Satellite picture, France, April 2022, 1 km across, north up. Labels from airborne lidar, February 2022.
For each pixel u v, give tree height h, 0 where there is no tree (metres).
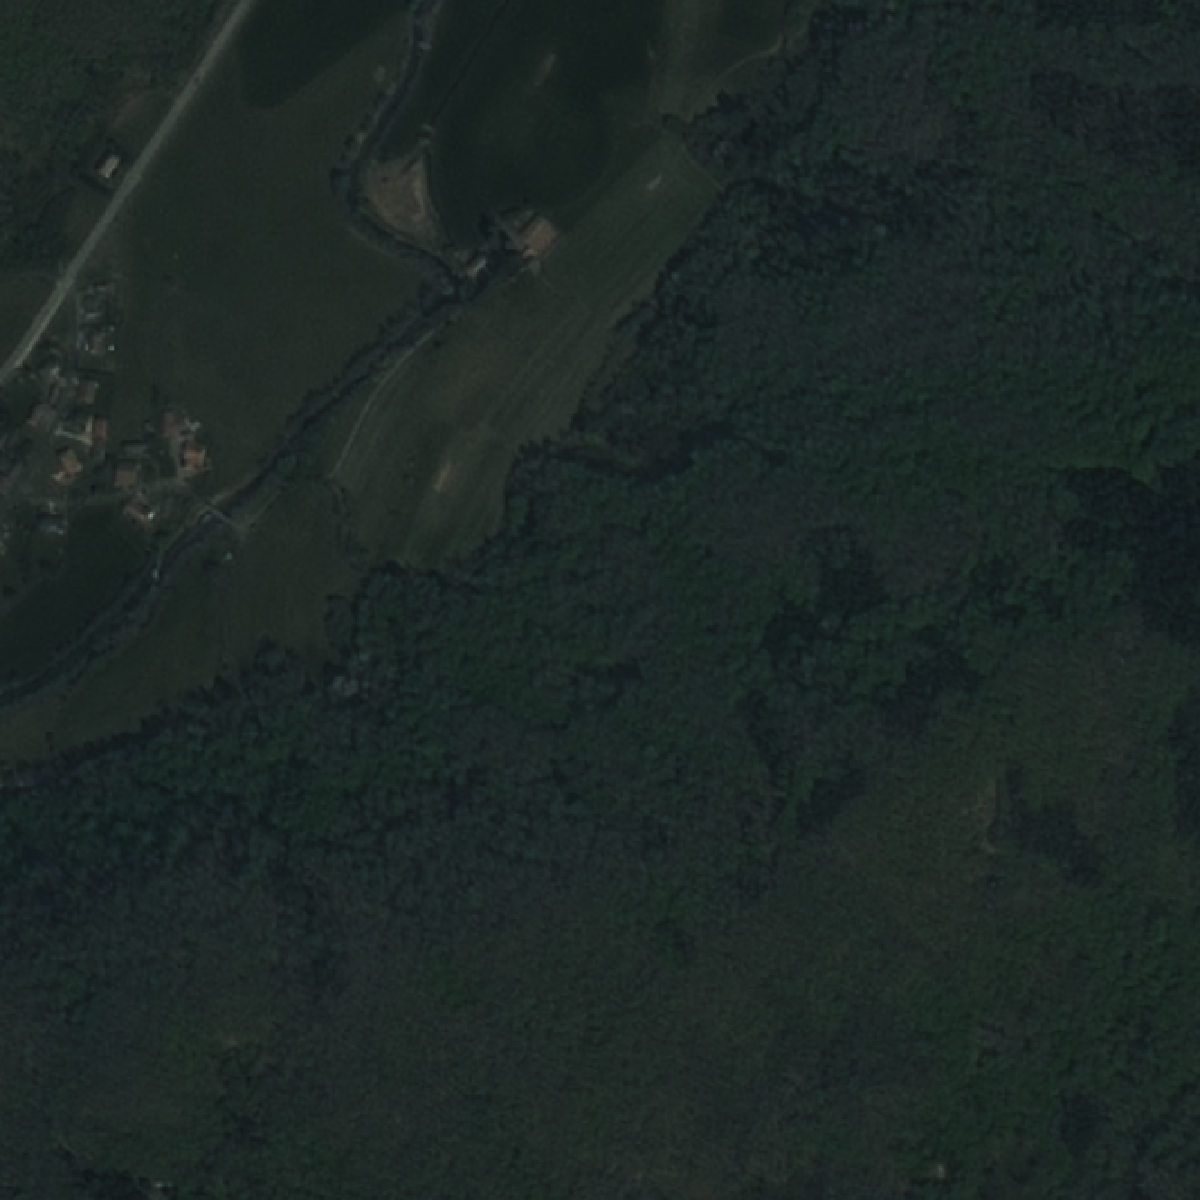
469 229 0
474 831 23
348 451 0
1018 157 21
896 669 19
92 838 15
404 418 0
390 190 0
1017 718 21
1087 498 20
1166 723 22
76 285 0
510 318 0
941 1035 20
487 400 0
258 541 0
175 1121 19
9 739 0
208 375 0
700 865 25
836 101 24
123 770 18
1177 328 25
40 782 16
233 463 0
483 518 0
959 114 15
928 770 18
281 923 22
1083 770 17
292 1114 24
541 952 25
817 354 21
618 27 0
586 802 13
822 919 21
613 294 0
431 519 0
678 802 19
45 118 23
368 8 0
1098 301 19
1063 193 27
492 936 11
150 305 0
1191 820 20
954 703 15
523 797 24
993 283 21
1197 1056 30
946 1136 18
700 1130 21
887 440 21
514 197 0
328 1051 16
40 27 17
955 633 12
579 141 0
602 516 24
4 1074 23
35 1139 25
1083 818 18
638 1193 7
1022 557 21
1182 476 16
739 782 15
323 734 29
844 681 18
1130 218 22
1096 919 22
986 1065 21
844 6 19
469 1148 24
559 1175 17
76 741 0
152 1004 21
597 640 19
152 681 0
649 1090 17
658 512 21
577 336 0
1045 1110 14
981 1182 17
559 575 24
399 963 22
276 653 23
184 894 23
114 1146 22
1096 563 17
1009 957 22
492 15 0
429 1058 25
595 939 22
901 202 31
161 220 0
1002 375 23
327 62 0
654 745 22
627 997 16
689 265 16
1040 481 21
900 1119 23
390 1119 19
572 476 21
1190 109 26
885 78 20
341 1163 7
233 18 0
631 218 0
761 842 21
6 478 0
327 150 0
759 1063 24
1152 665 20
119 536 0
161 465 0
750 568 22
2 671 0
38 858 12
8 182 15
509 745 21
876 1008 21
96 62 15
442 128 0
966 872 23
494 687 13
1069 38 26
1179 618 11
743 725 20
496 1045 20
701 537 22
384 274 0
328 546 0
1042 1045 22
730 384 24
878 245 18
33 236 8
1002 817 21
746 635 27
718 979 14
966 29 18
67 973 25
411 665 18
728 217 12
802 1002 24
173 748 19
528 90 0
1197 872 20
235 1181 26
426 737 22
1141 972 24
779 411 24
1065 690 17
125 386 0
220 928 17
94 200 0
